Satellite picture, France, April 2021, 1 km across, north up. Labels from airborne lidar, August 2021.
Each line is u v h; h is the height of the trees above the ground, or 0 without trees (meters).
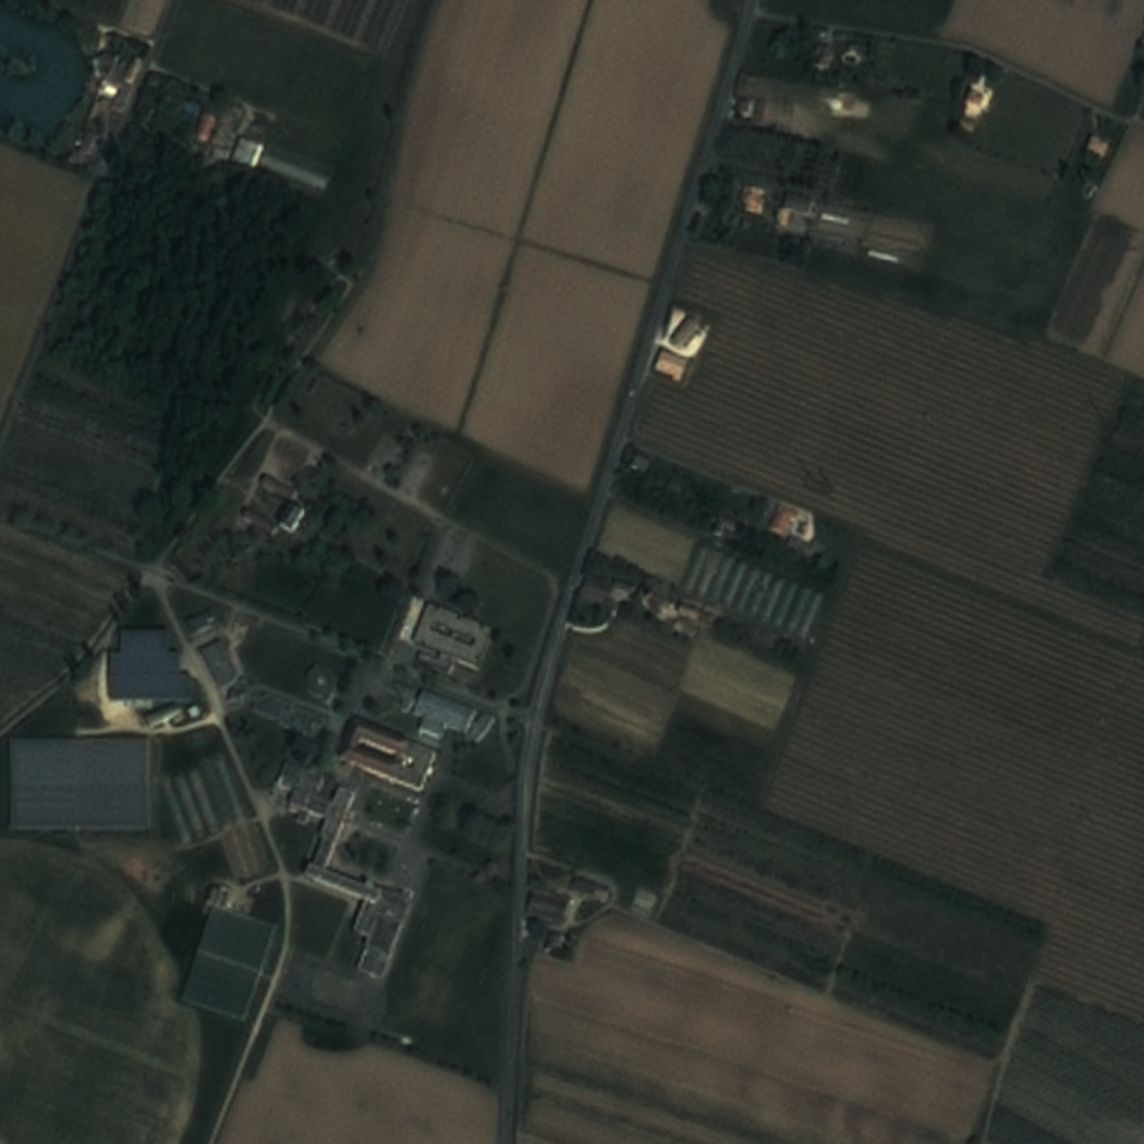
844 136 0
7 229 0
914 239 0
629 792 5
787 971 6
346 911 0
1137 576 8
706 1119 0
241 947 0
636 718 0
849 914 0
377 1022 0
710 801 6
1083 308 0
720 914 8
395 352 0
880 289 0
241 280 26
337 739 14
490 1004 0
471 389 0
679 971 0
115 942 0
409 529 0
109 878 0
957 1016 10
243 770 0
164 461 18
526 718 0
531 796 0
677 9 0
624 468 8
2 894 0
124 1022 0
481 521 0
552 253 0
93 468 5
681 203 0
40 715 0
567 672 0
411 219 0
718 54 0
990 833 7
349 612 0
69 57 0
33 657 7
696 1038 0
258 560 8
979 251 0
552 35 0
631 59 0
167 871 0
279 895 0
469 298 0
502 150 0
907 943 0
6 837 0
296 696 0
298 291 0
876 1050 0
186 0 0
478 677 0
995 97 0
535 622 0
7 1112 0
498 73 0
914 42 0
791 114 0
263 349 14
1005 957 0
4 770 0
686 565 0
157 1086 0
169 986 0
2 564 0
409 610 0
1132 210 0
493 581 0
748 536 11
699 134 0
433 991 0
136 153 17
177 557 0
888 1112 0
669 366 0
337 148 0
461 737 9
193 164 19
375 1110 0
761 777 0
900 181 0
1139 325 0
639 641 0
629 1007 0
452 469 0
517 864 0
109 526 10
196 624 0
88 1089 0
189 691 0
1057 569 6
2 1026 0
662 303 0
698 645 0
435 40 0
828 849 6
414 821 0
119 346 18
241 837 0
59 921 0
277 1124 0
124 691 0
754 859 10
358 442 0
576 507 0
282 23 0
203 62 0
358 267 18
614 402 0
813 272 0
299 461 0
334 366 0
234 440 0
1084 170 10
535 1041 0
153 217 24
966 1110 0
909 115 0
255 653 0
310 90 0
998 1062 0
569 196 0
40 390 8
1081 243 0
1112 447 8
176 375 19
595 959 0
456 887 0
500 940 0
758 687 0
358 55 0
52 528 16
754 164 21
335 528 12
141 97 7
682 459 0
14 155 0
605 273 0
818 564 12
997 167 0
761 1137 0
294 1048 0
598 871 0
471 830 24
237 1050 0
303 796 0
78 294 10
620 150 0
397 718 0
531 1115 0
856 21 0
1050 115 0
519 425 0
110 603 0
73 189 0
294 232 21
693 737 0
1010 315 0
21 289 0
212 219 23
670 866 0
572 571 0
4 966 0
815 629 0
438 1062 6
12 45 0
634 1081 0
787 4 0
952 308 0
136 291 21
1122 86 0
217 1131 0
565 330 0
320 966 0
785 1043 0
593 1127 0
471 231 0
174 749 0
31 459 7
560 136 0
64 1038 0
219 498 22
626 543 0
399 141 0
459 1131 0
